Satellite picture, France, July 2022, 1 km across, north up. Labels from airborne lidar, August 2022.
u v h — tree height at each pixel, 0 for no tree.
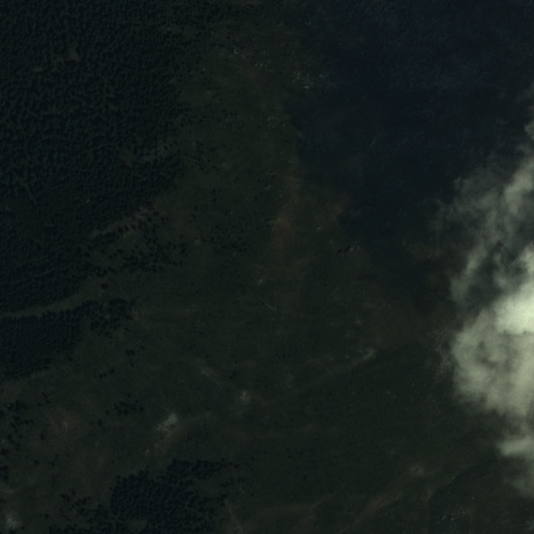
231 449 0
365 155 0
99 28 19
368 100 0
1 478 9
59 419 0
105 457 0
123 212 14
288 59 0
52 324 17
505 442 0
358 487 0
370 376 0
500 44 0
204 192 0
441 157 0
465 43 0
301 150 0
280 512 0
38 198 17
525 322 0
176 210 0
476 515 0
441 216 0
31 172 23
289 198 0
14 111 26
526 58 0
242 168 0
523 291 0
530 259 0
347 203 0
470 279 0
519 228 0
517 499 0
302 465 0
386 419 0
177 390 0
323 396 0
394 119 0
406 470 0
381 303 0
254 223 0
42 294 16
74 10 15
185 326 0
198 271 0
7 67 22
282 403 0
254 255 0
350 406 0
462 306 0
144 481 10
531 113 0
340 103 0
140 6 12
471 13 0
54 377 0
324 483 0
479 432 0
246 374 0
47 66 20
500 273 0
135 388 0
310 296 0
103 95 22
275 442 0
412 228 0
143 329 0
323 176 0
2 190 17
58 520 0
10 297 15
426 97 0
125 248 0
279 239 0
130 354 12
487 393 0
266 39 0
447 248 0
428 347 0
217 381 0
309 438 0
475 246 0
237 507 0
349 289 0
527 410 0
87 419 0
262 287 0
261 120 0
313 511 0
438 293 0
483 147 0
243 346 0
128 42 13
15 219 20
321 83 0
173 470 11
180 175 6
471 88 0
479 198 0
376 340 0
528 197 0
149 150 8
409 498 0
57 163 20
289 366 0
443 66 0
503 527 0
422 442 0
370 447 0
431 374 0
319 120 0
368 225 0
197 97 0
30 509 0
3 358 16
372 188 0
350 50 0
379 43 0
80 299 0
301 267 0
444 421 0
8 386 0
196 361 0
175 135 8
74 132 18
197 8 7
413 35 0
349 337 0
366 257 0
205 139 0
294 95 0
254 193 0
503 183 0
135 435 0
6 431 0
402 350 0
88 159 15
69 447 0
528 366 0
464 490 0
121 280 0
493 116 0
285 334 0
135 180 10
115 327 8
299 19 0
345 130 0
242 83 0
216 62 0
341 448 0
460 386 0
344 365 0
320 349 0
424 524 0
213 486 0
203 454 0
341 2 0
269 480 0
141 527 0
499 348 0
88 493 0
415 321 0
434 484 0
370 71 0
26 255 22
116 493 8
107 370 0
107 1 10
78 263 15
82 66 18
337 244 0
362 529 0
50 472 0
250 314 0
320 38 0
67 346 15
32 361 16
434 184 0
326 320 0
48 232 16
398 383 0
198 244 0
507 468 0
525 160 0
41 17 21
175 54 6
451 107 0
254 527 0
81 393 0
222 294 0
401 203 0
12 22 20
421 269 0
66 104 23
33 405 0
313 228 0
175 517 9
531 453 0
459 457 0
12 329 18
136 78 13
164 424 0
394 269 0
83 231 19
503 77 0
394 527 0
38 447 0
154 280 0
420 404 0
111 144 17
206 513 10
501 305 0
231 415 0
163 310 0
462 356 0
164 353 0
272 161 0
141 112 14
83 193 21
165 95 10
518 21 0
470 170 0
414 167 0
